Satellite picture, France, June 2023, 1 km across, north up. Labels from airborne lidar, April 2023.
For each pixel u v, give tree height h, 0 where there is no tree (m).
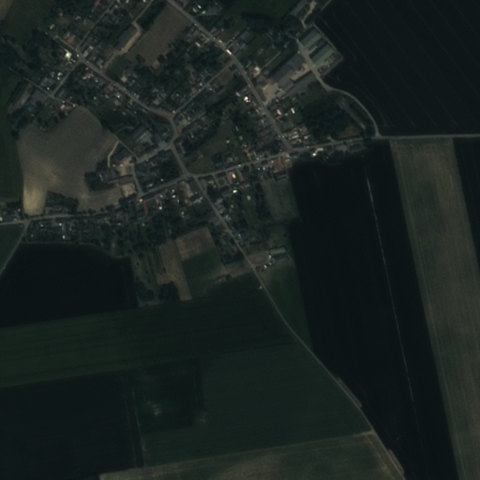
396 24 0
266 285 0
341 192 0
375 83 0
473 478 0
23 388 0
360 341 0
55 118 11
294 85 0
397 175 0
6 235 0
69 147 0
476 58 0
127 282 0
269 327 0
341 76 0
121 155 0
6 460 0
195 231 0
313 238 0
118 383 0
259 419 0
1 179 0
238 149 0
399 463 0
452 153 0
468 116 0
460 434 0
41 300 0
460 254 0
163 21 0
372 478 0
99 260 0
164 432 0
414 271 0
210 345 0
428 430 0
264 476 0
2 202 0
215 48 13
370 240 0
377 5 0
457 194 0
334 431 0
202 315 0
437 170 0
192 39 0
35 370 0
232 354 0
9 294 0
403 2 0
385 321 0
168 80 6
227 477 0
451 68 0
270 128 0
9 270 0
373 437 0
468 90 0
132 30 0
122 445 0
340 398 0
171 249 0
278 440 0
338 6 0
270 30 0
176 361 0
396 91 0
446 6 0
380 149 0
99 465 0
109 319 0
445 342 0
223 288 0
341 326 0
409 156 0
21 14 0
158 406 0
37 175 0
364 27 0
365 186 0
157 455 0
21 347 0
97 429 0
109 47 0
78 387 0
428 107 0
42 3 0
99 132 0
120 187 0
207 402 0
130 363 0
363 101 0
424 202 0
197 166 0
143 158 0
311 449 0
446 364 0
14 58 18
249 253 0
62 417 0
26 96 0
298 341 0
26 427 0
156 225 7
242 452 0
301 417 0
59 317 0
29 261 0
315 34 0
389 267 0
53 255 0
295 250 0
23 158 0
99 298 0
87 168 0
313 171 0
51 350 0
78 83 9
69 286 0
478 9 0
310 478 0
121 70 0
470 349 0
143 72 15
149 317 0
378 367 0
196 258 0
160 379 0
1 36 9
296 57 0
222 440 0
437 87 0
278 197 0
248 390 0
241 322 0
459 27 0
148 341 0
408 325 0
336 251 0
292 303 0
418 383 0
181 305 0
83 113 0
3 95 0
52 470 0
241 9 0
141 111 8
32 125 0
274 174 6
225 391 0
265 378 0
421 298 0
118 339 0
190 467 0
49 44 14
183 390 0
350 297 0
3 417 0
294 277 0
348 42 0
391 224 0
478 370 0
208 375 0
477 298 0
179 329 0
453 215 0
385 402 0
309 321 0
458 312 0
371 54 0
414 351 0
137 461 0
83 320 0
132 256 0
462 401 0
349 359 0
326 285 0
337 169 0
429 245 0
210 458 0
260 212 13
